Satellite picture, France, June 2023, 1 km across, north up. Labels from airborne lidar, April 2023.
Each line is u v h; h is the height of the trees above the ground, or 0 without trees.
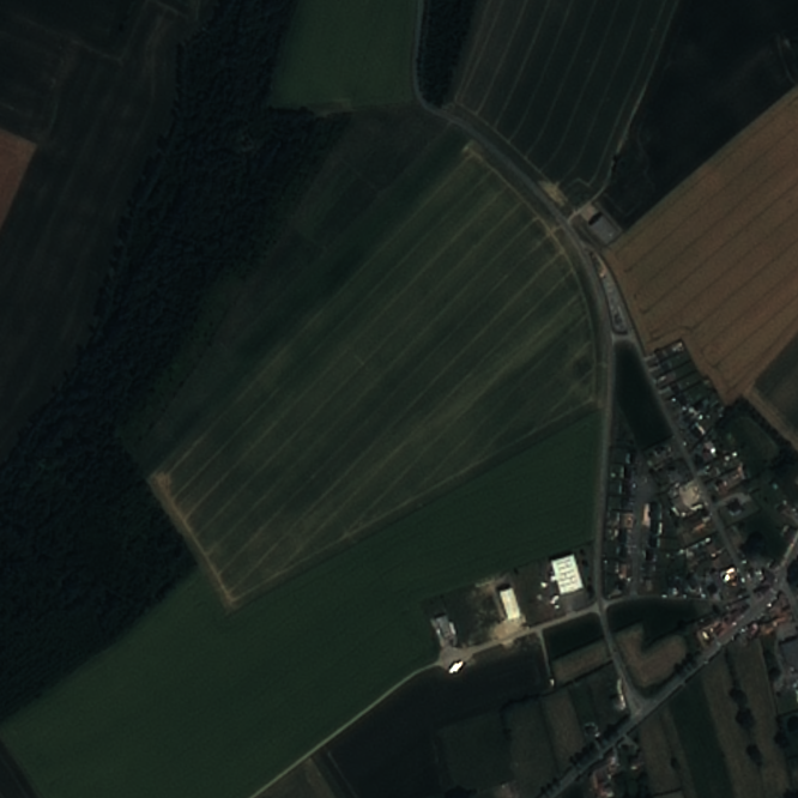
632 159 0
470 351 0
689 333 0
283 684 0
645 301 0
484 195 0
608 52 0
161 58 0
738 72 0
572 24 0
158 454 0
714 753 0
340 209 0
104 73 0
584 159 0
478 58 0
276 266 0
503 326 0
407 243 0
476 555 0
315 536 0
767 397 0
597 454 0
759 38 0
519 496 0
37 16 0
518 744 0
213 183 20
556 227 0
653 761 0
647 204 0
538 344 0
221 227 8
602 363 0
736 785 0
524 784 0
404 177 0
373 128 0
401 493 0
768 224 0
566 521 0
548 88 0
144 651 0
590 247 0
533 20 0
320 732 0
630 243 0
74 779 0
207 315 0
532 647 0
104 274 0
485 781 0
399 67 0
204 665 0
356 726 0
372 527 0
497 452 0
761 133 0
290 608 0
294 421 0
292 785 0
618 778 11
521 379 0
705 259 0
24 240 0
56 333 0
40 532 9
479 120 0
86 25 0
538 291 0
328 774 0
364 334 0
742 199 0
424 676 0
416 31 0
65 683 0
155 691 0
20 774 0
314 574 0
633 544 0
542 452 0
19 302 0
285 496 0
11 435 0
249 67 21
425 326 0
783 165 0
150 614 0
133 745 0
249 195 12
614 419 0
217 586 0
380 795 0
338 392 0
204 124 12
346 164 0
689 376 0
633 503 0
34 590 17
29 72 0
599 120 0
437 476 0
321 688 0
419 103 0
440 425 0
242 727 0
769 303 0
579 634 0
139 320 17
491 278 0
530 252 0
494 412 0
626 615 0
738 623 0
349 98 0
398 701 0
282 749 0
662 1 0
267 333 0
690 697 0
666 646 0
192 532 0
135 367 13
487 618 0
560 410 0
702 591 0
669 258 0
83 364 17
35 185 0
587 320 0
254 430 0
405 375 0
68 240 0
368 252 0
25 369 0
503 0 0
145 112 0
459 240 0
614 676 0
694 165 0
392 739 0
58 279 0
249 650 0
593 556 0
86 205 0
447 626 0
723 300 0
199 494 0
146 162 0
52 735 0
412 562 0
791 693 0
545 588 0
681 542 0
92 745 0
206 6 0
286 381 0
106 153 0
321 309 0
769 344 0
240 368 0
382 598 0
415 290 0
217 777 0
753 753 16
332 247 0
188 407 0
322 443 0
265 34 17
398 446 0
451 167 0
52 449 17
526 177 0
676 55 0
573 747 0
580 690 0
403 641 0
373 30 0
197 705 0
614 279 0
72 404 27
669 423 0
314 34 0
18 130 0
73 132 0
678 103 0
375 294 0
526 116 0
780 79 0
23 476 20
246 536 0
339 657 0
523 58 0
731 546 0
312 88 0
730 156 0
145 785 0
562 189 0
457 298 0
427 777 0
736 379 0
